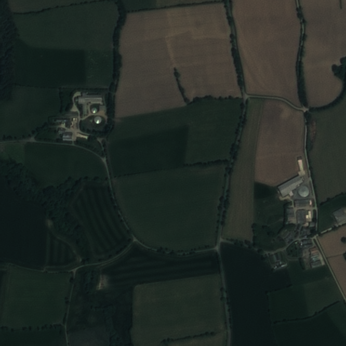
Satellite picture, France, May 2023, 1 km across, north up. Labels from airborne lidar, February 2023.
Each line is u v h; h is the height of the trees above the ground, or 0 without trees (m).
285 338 0
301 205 0
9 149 0
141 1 0
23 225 0
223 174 0
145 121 0
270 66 0
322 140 0
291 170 0
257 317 0
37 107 0
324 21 0
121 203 0
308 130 7
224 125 0
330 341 0
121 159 0
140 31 0
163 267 0
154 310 0
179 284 0
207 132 0
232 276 0
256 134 0
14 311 0
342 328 0
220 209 13
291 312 0
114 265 0
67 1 0
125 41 0
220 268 7
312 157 0
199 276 0
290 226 10
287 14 0
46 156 0
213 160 0
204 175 0
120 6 17
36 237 0
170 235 0
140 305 0
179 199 0
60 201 12
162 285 0
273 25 0
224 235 0
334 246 0
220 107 0
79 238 8
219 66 0
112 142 0
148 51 0
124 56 0
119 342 15
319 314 6
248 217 0
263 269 0
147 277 0
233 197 0
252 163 0
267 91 0
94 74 0
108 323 7
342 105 0
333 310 0
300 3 0
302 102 14
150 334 0
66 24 0
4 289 0
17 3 0
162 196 0
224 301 12
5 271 0
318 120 0
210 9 0
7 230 0
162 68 0
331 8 0
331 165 0
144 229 0
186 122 0
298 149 0
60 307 0
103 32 0
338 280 0
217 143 0
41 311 0
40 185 0
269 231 10
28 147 0
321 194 0
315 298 0
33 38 0
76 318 0
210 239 0
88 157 0
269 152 0
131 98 0
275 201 0
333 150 0
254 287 0
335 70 21
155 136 0
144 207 0
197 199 0
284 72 0
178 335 0
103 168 0
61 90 9
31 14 9
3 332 11
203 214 0
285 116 0
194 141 0
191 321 0
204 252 0
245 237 0
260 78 0
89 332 0
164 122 0
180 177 0
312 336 0
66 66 0
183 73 0
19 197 16
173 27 0
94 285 13
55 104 0
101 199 0
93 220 0
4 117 0
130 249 0
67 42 0
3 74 28
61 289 0
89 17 0
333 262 0
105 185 0
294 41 0
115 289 0
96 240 0
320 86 0
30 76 0
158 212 0
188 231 0
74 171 0
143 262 0
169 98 0
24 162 0
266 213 0
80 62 0
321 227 0
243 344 0
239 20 0
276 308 0
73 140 0
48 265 0
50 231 0
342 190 0
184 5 7
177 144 0
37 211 0
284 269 0
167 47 0
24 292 0
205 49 0
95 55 0
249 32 0
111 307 11
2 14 26
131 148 0
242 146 0
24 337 0
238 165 0
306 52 0
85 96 0
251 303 0
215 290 0
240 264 0
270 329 0
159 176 0
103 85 0
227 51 0
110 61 0
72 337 0
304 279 0
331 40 0
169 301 0
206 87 0
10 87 23
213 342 0
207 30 0
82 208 0
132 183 0
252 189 0
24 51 0
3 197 0
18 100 0
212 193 0
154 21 0
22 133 0
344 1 0
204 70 0
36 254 0
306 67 0
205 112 0
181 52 0
